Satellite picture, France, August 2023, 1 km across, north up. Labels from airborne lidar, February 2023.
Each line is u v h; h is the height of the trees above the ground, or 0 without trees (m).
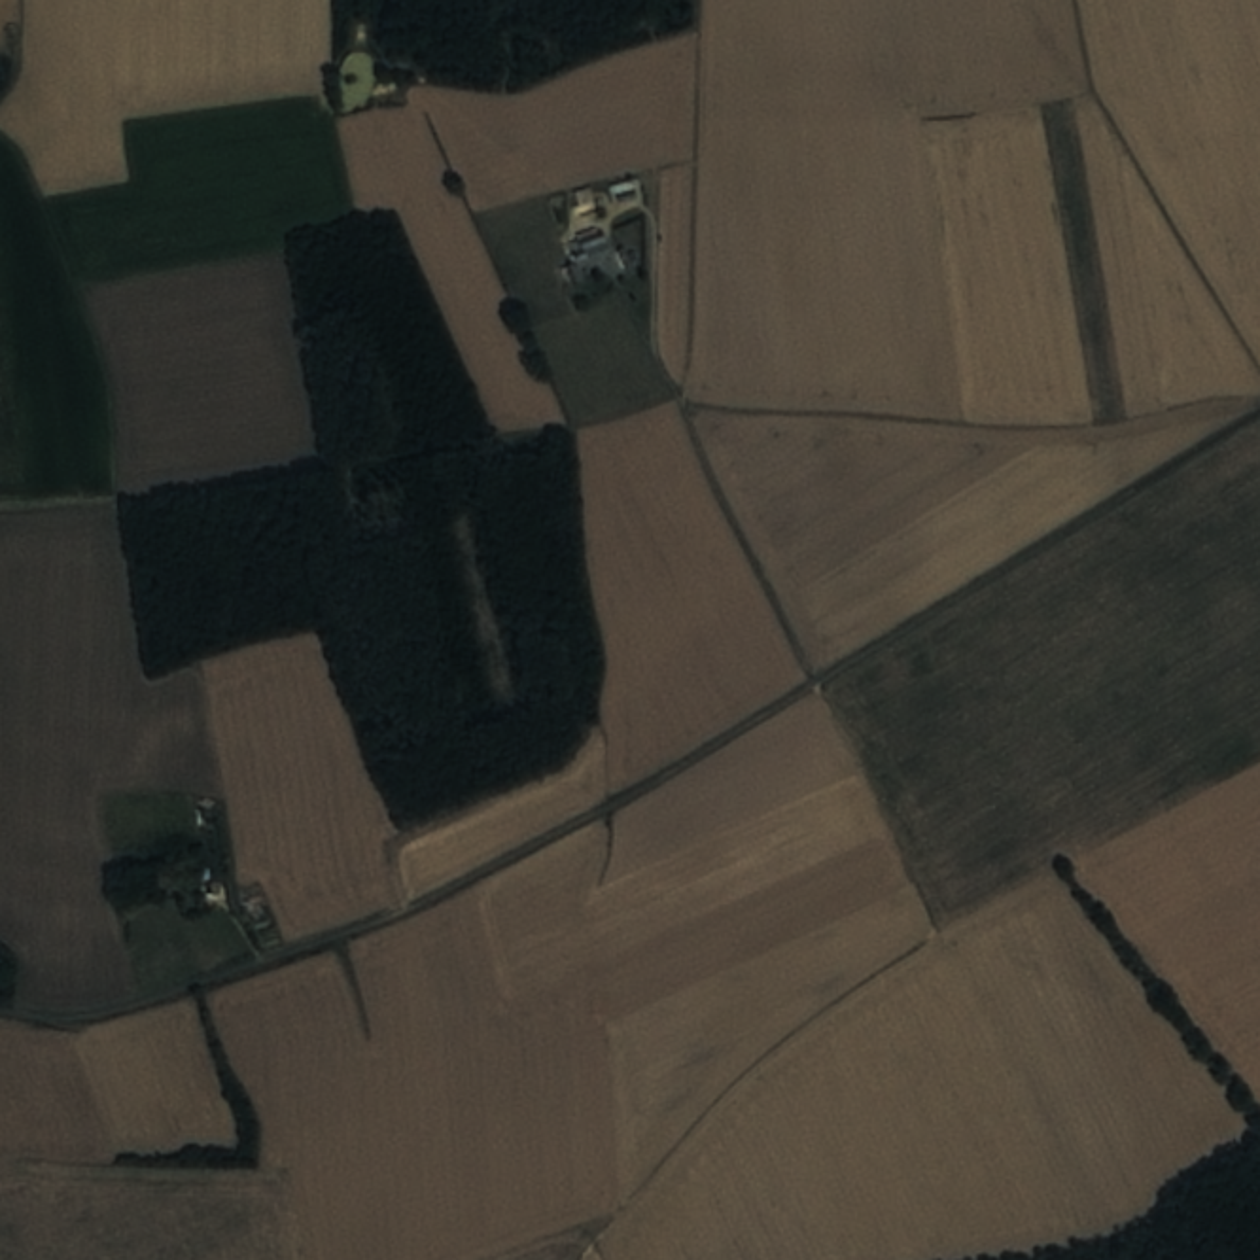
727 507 0
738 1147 0
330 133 0
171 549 13
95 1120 0
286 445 0
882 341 0
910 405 0
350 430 21
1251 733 0
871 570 0
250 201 0
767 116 0
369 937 0
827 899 0
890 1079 0
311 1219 0
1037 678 0
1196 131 0
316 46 0
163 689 0
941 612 0
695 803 0
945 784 0
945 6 0
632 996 0
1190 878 0
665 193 0
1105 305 0
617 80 0
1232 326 0
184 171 0
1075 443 0
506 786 16
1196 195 0
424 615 17
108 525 0
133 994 0
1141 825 0
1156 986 10
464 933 0
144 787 0
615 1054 0
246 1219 0
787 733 0
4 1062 0
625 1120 0
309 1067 0
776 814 0
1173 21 0
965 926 0
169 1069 0
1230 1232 24
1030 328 0
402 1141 0
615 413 0
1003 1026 0
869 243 0
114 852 0
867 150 0
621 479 0
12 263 0
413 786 13
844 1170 0
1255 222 0
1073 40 0
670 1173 0
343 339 19
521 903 0
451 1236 0
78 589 0
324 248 8
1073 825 0
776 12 0
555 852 0
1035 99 0
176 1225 0
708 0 0
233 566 13
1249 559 0
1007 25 0
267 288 0
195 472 0
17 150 0
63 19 0
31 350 0
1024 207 0
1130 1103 0
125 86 0
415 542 20
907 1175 0
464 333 0
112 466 0
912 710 0
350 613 22
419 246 0
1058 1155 0
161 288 0
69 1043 0
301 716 0
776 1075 0
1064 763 0
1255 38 0
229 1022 0
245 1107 7
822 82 0
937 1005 0
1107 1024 0
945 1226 0
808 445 0
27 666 0
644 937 0
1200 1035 11
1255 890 0
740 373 0
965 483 0
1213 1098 0
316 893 0
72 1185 0
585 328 0
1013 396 0
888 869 0
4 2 0
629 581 0
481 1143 0
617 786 0
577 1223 0
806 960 0
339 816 0
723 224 0
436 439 7
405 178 0
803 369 0
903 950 0
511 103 0
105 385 0
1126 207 0
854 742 0
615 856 0
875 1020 0
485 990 0
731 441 0
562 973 0
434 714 19
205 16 0
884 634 0
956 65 0
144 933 0
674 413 0
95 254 0
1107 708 0
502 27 17
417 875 0
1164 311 0
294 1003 0
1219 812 0
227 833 0
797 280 0
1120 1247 18
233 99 0
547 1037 0
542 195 0
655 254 0
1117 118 0
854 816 0
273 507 19
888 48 0
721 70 0
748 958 0
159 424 0
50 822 0
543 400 0
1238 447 0
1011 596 0
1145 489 0
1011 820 0
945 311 0
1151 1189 0
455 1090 0
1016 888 0
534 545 17
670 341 0
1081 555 0
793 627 0
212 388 0
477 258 0
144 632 10
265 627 16
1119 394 0
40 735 0
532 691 21
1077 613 0
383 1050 0
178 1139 0
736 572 0
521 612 16
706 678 0
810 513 0
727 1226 0
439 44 12
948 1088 0
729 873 0
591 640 10
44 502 0
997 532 0
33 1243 0
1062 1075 0
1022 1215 0
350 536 21
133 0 0
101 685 0
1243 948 0
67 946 0
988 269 0
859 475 0
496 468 18
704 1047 0
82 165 0
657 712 0
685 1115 0
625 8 18
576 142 0
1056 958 0
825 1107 0
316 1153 0
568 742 16
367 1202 0
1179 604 0
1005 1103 0
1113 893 0
